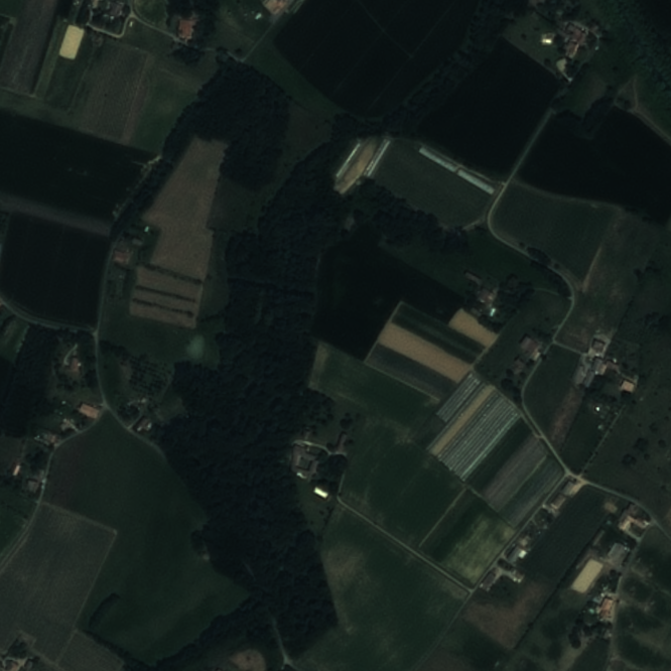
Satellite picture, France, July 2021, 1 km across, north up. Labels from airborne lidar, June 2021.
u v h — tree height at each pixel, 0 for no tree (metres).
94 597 0
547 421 0
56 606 0
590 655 0
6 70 0
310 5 0
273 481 22
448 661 0
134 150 0
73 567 0
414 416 0
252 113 20
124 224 15
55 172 0
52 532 0
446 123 0
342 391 0
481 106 0
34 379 14
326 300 0
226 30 0
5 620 0
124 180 0
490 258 0
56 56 0
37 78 0
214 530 15
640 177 0
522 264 0
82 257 0
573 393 0
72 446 0
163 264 0
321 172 7
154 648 0
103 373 0
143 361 7
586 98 0
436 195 0
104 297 0
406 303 0
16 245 0
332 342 0
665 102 28
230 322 12
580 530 0
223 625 24
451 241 22
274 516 31
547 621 0
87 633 7
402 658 0
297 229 29
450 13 0
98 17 14
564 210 0
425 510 0
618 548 0
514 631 0
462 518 0
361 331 0
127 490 0
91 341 14
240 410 28
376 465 0
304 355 19
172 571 0
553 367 0
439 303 0
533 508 0
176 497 0
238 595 0
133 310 0
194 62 22
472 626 0
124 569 0
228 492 29
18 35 0
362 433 0
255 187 18
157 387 6
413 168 0
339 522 0
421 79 0
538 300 0
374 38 0
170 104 0
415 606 0
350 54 0
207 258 0
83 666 0
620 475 0
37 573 0
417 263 0
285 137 15
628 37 26
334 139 8
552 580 0
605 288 0
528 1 12
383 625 0
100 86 0
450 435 0
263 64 0
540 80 0
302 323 21
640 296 0
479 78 0
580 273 0
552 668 0
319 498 0
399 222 19
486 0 13
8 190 0
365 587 0
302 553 21
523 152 0
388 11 0
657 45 29
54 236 0
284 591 21
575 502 0
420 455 0
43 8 0
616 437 0
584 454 0
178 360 0
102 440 0
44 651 0
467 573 0
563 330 0
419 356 0
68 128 0
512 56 0
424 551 0
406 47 0
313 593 14
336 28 0
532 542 0
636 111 0
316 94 0
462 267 0
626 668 0
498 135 0
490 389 0
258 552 22
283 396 15
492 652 0
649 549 0
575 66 8
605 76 0
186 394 11
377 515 0
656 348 0
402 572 0
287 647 14
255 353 23
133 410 15
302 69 0
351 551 0
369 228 0
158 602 0
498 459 0
